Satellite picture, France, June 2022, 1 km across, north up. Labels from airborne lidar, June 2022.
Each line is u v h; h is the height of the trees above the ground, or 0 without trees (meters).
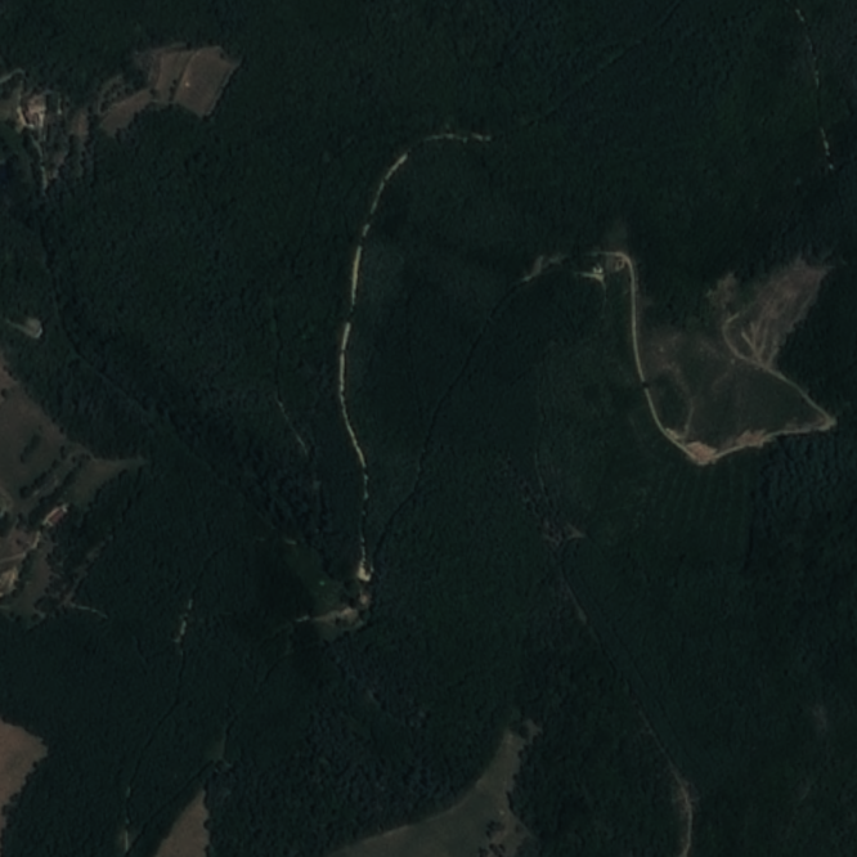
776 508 23
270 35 17
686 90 12
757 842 8
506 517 12
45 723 13
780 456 19
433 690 18
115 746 11
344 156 11
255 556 12
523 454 13
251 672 9
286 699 13
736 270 21
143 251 17
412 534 11
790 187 10
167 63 0
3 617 13
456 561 16
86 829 12
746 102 11
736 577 16
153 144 14
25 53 11
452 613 12
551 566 13
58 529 10
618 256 0
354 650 22
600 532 10
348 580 11
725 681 15
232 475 15
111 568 12
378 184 8
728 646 11
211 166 12
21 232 19
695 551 6
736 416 0
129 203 13
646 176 14
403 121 11
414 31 20
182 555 11
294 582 11
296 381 7
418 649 19
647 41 12
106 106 10
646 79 17
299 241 13
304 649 7
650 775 7
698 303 17
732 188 18
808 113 15
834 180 23
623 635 13
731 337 0
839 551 13
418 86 20
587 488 8
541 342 10
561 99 15
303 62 14
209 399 27
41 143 6
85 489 0
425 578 14
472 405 11
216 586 11
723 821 8
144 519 12
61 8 10
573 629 8
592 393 6
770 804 11
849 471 26
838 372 7
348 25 14
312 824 13
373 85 18
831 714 6
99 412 22
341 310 15
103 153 14
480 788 0
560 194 5
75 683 13
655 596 14
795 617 11
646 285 11
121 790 13
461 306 9
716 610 12
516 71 17
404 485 11
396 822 19
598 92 15
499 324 13
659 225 15
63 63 12
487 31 16
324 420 7
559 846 10
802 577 16
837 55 17
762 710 12
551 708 13
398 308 10
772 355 0
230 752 9
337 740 25
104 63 13
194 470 16
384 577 16
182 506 11
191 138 13
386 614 17
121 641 12
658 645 15
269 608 10
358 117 10
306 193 17
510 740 0
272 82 13
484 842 0
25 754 0
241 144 11
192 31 11
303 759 9
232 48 11
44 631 15
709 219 21
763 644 13
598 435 9
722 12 12
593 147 18
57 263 19
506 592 15
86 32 15
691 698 13
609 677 6
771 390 0
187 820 0
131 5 17
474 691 17
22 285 15
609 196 12
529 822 8
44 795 12
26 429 0
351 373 7
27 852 13
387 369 14
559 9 20
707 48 15
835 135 15
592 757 15
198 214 15
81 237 14
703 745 9
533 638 12
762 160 16
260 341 13
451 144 12
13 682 12
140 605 14
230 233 15
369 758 21
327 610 0
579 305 11
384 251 9
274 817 13
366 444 7
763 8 13
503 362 12
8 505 0
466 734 19
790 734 8
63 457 8
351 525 13
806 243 25
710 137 8
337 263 9
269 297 19
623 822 7
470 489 14
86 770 13
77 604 11
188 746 12
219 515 13
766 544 21
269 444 17
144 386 20
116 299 15
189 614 8
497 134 14
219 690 12
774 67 16
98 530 12
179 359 15
